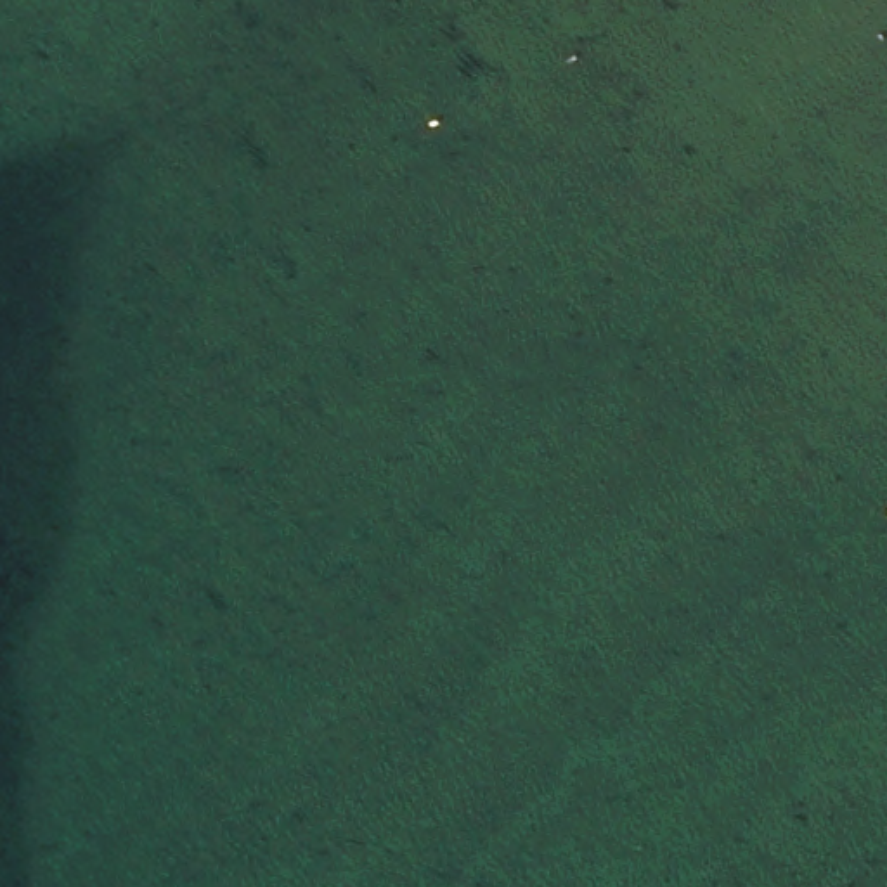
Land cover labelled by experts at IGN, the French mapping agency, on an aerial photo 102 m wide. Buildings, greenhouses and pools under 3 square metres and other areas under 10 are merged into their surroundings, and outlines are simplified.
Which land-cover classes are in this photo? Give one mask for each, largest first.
<instances>
[{"label":"water","instance_id":"1","mask_svg":"<svg viewBox=\"0 0 887 887\"><path fill-rule=\"evenodd\" d=\"M0 887H887V0H0Z\"/></svg>","mask_w":887,"mask_h":887}]
</instances>
